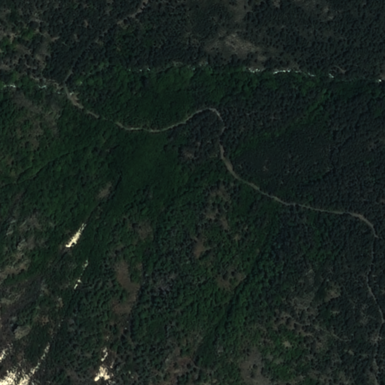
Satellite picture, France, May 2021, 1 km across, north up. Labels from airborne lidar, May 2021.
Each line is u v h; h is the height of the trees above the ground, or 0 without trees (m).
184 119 13
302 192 25
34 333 9
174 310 15
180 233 9
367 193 24
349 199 23
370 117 36
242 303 24
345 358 32
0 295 15
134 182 17
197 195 15
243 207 13
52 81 6
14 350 8
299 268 19
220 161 10
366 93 33
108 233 13
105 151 7
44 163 9
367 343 8
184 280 16
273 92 29
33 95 12
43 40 21
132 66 22
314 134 13
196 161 24
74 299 9
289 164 14
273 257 23
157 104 16
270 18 31
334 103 15
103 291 12
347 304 18
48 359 10
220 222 22
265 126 23
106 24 23
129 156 16
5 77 28
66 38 24
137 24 30
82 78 24
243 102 25
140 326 16
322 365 13
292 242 16
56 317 7
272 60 21
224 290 8
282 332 24
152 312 14
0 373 7
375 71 24
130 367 6
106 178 12
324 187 30
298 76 18
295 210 26
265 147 10
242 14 0
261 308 8
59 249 6
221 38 13
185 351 23
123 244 8
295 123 11
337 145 17
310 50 24
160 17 31
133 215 14
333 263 9
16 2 24
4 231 17
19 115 11
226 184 23
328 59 21
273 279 11
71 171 20
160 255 12
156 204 19
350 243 30
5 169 15
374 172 24
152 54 25
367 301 13
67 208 18
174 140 18
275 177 14
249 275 14
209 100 15
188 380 17
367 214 23
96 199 6
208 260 15
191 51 25
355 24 25
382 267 25
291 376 15
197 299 24
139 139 14
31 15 14
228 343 12
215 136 32
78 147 25
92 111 11
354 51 28
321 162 14
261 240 11
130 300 0
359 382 19
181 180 16
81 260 11
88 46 25
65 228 15
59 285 8
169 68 8
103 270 7
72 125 20
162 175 16
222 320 8
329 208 16
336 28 22
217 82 25
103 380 7
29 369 8
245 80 16
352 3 26
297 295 12
